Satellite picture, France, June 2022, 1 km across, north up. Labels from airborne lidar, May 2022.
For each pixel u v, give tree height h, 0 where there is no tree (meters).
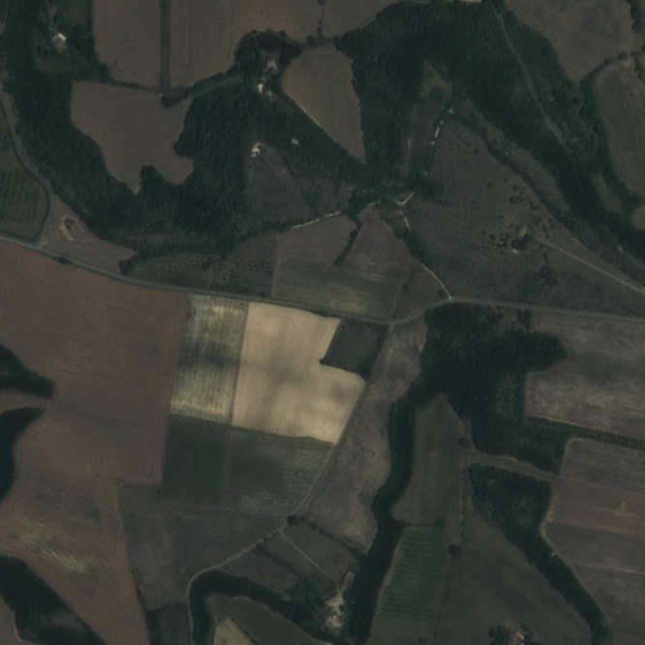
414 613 0
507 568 0
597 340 0
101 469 0
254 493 0
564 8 0
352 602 7
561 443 6
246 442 0
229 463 0
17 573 8
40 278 0
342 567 0
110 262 0
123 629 0
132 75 0
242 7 0
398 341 0
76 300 0
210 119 12
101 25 0
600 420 0
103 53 0
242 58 16
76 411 0
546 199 8
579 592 8
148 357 0
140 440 0
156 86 0
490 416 9
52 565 0
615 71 0
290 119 7
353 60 11
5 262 0
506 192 0
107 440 0
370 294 0
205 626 15
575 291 0
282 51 11
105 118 0
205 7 0
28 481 0
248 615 0
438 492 0
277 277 0
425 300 0
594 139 13
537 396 0
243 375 0
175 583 0
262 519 0
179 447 0
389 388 0
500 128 8
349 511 0
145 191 13
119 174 0
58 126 13
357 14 0
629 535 0
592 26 0
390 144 7
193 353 0
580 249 0
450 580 0
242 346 0
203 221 9
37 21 12
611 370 0
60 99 12
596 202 18
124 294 0
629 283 0
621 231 16
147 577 0
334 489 0
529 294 6
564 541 0
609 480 0
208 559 0
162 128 0
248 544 0
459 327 11
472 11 11
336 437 0
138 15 0
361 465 0
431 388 17
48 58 14
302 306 0
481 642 0
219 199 8
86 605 0
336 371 0
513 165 8
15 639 0
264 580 0
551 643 0
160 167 0
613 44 0
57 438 0
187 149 16
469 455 0
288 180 0
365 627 19
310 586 8
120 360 0
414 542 0
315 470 0
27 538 0
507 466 0
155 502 0
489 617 0
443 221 0
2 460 10
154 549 0
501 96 14
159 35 0
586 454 0
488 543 0
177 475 0
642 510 0
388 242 0
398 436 12
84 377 0
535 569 0
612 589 0
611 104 0
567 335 0
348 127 0
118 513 0
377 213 0
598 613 10
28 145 7
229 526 0
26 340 0
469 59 8
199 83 14
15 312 0
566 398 0
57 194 9
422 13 10
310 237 0
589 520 0
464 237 0
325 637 11
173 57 0
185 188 13
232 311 0
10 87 8
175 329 0
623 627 0
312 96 0
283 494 0
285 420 0
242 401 0
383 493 12
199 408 0
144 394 0
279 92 13
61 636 8
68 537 0
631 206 6
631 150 0
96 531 0
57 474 0
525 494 9
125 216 8
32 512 0
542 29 0
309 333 0
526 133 12
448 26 10
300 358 0
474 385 19
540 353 17
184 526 0
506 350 14
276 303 0
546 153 12
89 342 0
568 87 8
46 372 0
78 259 0
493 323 6
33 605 6
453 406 10
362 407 0
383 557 22
